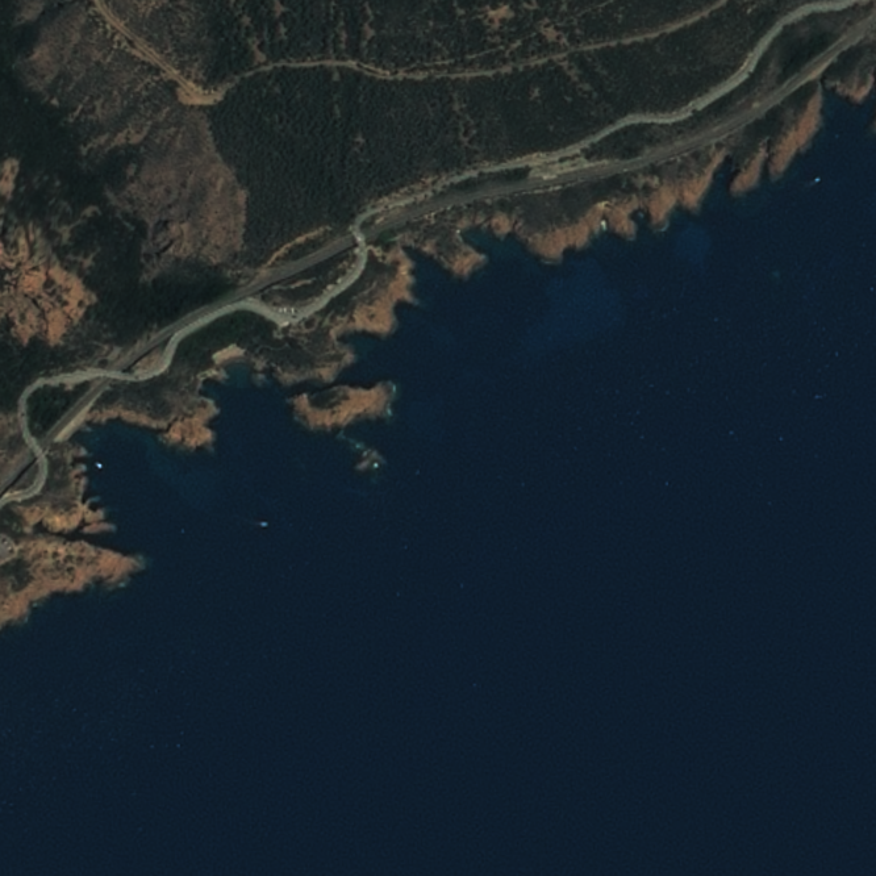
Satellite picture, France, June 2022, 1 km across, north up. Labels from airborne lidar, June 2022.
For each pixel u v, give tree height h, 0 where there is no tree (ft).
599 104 19
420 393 0
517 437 0
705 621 0
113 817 0
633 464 0
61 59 0
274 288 0
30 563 0
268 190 19
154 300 25
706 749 0
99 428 0
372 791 0
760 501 0
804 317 0
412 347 0
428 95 25
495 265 0
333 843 0
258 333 24
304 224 18
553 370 0
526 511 0
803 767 0
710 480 0
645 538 0
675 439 0
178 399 0
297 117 31
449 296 0
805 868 0
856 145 0
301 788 0
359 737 0
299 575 0
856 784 0
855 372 0
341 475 0
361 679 0
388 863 0
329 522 0
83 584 0
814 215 0
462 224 0
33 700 0
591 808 0
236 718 0
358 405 0
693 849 0
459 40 24
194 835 0
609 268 0
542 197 0
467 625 0
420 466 0
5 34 21
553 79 20
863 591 0
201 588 0
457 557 0
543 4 25
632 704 0
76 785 0
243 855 0
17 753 0
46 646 0
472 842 0
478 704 0
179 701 0
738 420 0
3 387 23
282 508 0
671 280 0
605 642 0
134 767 0
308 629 0
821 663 0
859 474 0
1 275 23
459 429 0
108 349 0
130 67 0
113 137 0
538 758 0
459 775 0
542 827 0
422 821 0
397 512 0
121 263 24
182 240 0
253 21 31
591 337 0
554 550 0
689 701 0
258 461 0
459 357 0
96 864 0
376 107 23
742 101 0
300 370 27
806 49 37
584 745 0
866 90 0
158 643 0
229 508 0
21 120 17
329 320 0
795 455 0
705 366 0
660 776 0
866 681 0
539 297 0
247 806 0
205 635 0
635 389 0
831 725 0
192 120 0
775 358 0
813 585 0
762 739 0
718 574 0
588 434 0
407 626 0
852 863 0
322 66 35
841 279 0
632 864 0
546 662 0
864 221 0
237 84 21
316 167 19
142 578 0
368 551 0
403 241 0
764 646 0
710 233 0
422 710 0
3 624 0
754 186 0
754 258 0
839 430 0
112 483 0
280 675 0
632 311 0
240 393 0
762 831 0
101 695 0
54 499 0
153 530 0
